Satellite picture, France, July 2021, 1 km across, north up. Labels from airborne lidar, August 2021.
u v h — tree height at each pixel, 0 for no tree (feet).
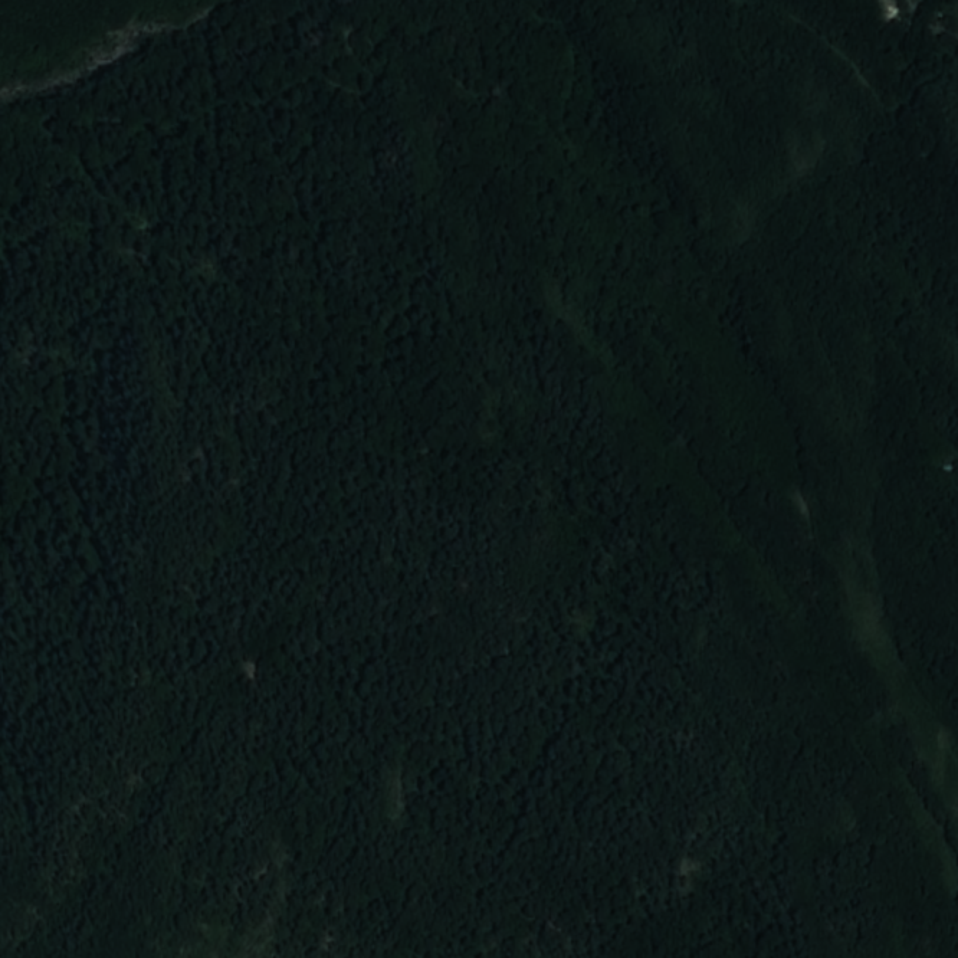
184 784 66
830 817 50
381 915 95
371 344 128
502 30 73
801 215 34
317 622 68
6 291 84
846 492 54
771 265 73
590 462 79
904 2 39
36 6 90
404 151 87
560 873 78
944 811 78
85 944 25
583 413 42
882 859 100
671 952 80
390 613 81
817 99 31
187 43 89
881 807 74
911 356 31
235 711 67
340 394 29
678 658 34
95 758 50
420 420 79
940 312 72
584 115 32
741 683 77
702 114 62
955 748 20
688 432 83
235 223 92
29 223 108
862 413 41
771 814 85
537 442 50
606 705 105
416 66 81
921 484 72
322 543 94
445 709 103
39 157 61
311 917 52
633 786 69
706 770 61
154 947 21
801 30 72
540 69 48
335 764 63
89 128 73
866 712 34
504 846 35
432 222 110
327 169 109
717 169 43
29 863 32
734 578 71
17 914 22
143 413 74
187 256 81
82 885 23
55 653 47
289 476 61
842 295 77
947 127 22
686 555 86
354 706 42
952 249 65
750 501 95
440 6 35
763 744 67
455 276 59
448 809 129
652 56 66
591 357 74
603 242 38
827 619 44
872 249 43
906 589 83
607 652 114
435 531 54
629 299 33
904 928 67
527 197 92
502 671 110
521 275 82
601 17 72
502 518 47
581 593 39
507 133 38
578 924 68
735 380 30
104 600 110
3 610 60
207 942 29
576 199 40
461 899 65
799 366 59
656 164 94
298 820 65
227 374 66
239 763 86
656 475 66
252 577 74
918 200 63
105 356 30
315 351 73
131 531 37
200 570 90
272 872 46
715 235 34
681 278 38
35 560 64
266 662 68
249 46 127
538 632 95
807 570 50
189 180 53
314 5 73
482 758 109
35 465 74
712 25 77
